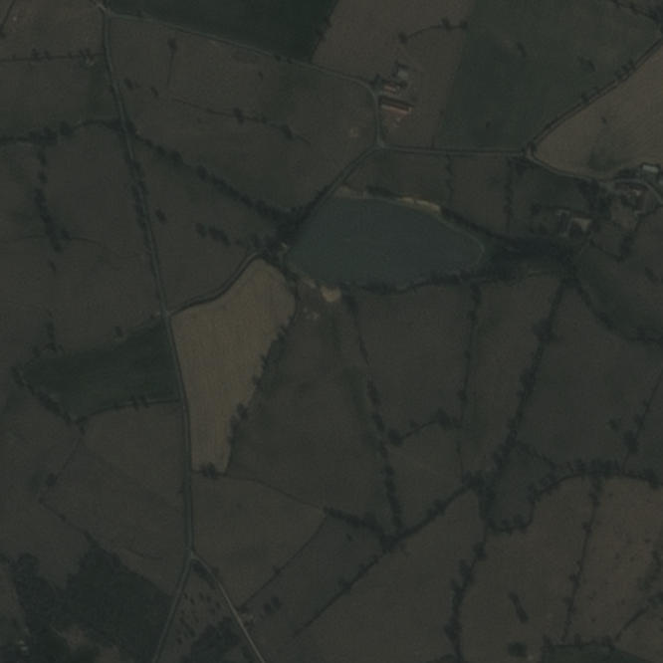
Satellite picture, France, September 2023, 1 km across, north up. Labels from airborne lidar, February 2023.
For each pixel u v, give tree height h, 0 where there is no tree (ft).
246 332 0
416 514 0
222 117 0
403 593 0
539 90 0
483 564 0
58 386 0
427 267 0
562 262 107
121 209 0
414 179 0
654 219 0
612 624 0
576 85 0
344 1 0
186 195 0
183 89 0
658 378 0
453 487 0
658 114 0
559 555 0
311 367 0
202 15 0
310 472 0
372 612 0
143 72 0
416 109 0
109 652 0
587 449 0
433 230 0
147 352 0
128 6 0
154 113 0
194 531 0
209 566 0
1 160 0
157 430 0
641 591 0
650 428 0
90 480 0
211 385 0
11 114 0
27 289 0
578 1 0
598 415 0
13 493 0
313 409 0
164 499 0
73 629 0
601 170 0
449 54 0
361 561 0
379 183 0
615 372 0
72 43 0
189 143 0
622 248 33
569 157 0
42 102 0
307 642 0
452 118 0
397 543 28
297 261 0
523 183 0
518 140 0
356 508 0
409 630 0
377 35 0
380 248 0
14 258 0
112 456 0
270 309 0
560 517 0
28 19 0
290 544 0
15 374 36
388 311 0
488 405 0
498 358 0
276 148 0
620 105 0
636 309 0
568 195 0
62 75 0
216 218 0
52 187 0
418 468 0
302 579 0
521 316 0
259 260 0
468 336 0
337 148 0
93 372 0
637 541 0
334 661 0
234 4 0
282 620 0
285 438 0
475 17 0
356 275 0
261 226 0
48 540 0
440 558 0
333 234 0
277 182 0
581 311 0
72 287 0
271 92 0
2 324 0
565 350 0
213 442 0
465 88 0
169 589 0
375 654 0
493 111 0
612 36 0
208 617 0
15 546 0
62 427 0
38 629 48
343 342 0
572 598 0
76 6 0
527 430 0
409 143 0
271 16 0
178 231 0
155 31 0
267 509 0
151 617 0
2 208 0
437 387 0
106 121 0
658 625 0
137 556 0
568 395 0
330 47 0
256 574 0
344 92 0
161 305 0
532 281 0
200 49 0
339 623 0
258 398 0
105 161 0
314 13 0
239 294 0
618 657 0
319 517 0
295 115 0
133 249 0
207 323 0
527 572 0
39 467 0
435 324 0
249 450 0
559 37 0
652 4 0
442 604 0
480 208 0
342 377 0
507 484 0
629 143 0
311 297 0
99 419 0
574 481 0
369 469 0
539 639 0
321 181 0
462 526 0
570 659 0
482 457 0
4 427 0
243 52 0
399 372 0
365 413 0
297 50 0
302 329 0
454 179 0
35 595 38
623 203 41
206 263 0
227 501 0
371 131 0
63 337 0
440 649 0
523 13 0
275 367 0
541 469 0
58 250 37
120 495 0
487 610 0
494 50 0
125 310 0
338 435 0
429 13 0
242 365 0
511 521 0
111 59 0
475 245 0
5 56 0
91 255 0
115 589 0
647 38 0
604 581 0
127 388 0
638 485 0
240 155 0
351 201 0
